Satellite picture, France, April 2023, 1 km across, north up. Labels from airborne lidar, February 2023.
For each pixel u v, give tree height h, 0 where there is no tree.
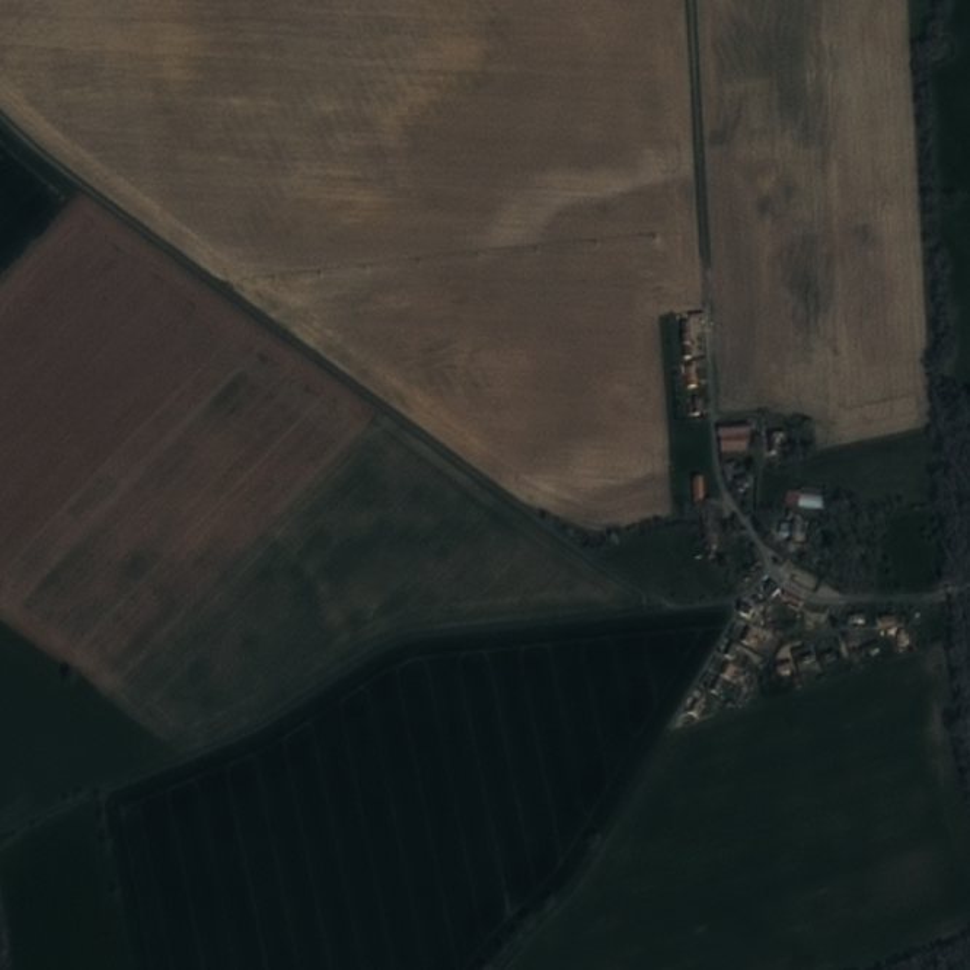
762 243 0
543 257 0
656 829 0
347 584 0
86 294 0
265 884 0
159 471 0
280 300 0
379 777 0
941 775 0
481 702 0
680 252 0
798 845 0
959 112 0
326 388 0
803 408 0
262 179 0
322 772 0
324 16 0
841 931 0
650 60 0
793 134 0
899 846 0
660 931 0
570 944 0
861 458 0
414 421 0
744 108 0
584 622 0
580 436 0
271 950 0
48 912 0
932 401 15
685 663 0
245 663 0
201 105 0
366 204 0
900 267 0
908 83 0
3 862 0
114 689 0
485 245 0
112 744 0
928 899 0
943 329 17
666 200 0
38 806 0
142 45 0
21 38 0
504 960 0
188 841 0
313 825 0
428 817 0
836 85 0
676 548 0
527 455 0
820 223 0
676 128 0
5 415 0
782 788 0
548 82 0
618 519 0
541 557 0
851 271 0
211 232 0
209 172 0
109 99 0
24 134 0
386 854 0
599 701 0
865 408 0
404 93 0
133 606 0
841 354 0
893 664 0
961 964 19
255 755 0
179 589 0
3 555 0
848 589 19
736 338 0
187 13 0
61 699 0
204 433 0
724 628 0
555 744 0
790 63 0
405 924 0
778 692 0
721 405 0
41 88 0
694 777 0
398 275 0
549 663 0
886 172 0
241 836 0
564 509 0
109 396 0
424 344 0
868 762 0
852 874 0
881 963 0
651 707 0
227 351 0
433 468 0
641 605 0
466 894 0
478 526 0
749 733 0
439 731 0
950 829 0
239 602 0
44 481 0
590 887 0
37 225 0
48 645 0
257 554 0
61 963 0
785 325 0
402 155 0
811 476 0
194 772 0
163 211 0
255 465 0
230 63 0
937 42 15
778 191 0
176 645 0
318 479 0
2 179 0
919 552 0
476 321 0
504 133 0
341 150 0
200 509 0
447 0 0
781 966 0
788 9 0
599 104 0
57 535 0
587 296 0
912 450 0
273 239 0
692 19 0
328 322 0
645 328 0
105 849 11
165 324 0
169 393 0
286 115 0
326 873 0
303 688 0
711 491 0
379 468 0
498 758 0
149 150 0
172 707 0
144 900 0
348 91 0
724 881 0
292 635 0
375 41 0
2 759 0
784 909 0
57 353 0
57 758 0
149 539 0
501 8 0
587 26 0
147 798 0
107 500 0
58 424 0
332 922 0
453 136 0
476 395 0
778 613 0
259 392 0
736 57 0
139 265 0
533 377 0
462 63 0
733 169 0
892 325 0
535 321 0
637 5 0
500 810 0
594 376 0
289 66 0
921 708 0
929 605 0
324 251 0
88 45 0
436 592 0
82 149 0
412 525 0
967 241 0
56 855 0
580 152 0
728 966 0
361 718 0
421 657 0
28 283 0
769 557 0
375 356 0
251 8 0
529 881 0
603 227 0
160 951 0
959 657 22
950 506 22
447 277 0
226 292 0
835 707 0
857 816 0
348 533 0
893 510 17
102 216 0
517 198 0
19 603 0
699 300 0
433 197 0
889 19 0
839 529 15
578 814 0
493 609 0
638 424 0
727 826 0
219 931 0
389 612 0
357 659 0
